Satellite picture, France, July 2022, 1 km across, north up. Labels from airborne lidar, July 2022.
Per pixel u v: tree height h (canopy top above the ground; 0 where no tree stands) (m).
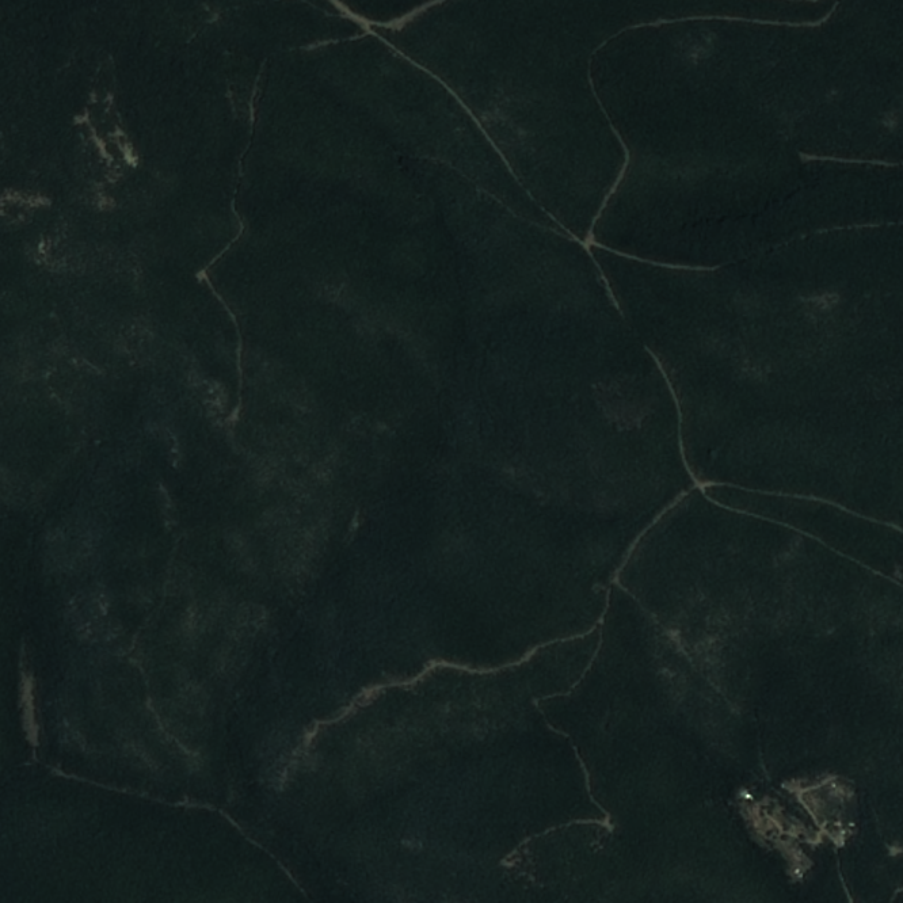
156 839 6
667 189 7
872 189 13
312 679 8
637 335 6
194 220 6
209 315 6
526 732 6
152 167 6
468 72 6
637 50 11
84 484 6
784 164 10
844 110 6
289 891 9
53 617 7
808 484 6
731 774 8
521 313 6
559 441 6
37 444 9
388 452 6
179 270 6
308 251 7
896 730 6
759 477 6
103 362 6
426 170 11
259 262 6
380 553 6
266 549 6
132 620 6
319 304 8
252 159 9
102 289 7
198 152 8
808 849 7
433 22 5
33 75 10
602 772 7
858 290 5
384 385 6
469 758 6
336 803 8
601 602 6
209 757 7
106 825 9
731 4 8
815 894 8
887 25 8
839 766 6
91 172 7
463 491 7
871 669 6
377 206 9
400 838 6
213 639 7
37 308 5
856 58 6
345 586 7
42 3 12
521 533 6
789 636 6
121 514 6
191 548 6
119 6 11
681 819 6
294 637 8
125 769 9
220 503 6
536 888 8
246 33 6
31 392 6
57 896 8
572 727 7
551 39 6
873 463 6
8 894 7
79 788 8
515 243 6
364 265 9
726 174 7
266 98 11
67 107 7
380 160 6
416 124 7
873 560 7
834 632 7
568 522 8
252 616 6
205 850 8
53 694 6
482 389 7
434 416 7
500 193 6
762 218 12
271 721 6
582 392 5
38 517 8
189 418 6
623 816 6
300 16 8
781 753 6
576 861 7
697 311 6
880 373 7
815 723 7
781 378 7
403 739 5
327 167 7
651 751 7
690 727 6
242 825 6
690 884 6
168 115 9
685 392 6
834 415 10
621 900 8
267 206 10
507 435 5
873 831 7
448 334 7
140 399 6
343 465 5
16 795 8
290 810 6
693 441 8
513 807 5
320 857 7
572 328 6
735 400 7
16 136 8
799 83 8
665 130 8
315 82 10
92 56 8
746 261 11
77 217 6
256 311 6
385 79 7
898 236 10
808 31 6
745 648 6
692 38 6
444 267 9
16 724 7
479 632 5
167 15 7
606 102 9
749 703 9
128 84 11
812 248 10
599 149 7
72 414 6
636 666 7
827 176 14
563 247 6
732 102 9
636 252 6
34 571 8
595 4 7
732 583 6
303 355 6
